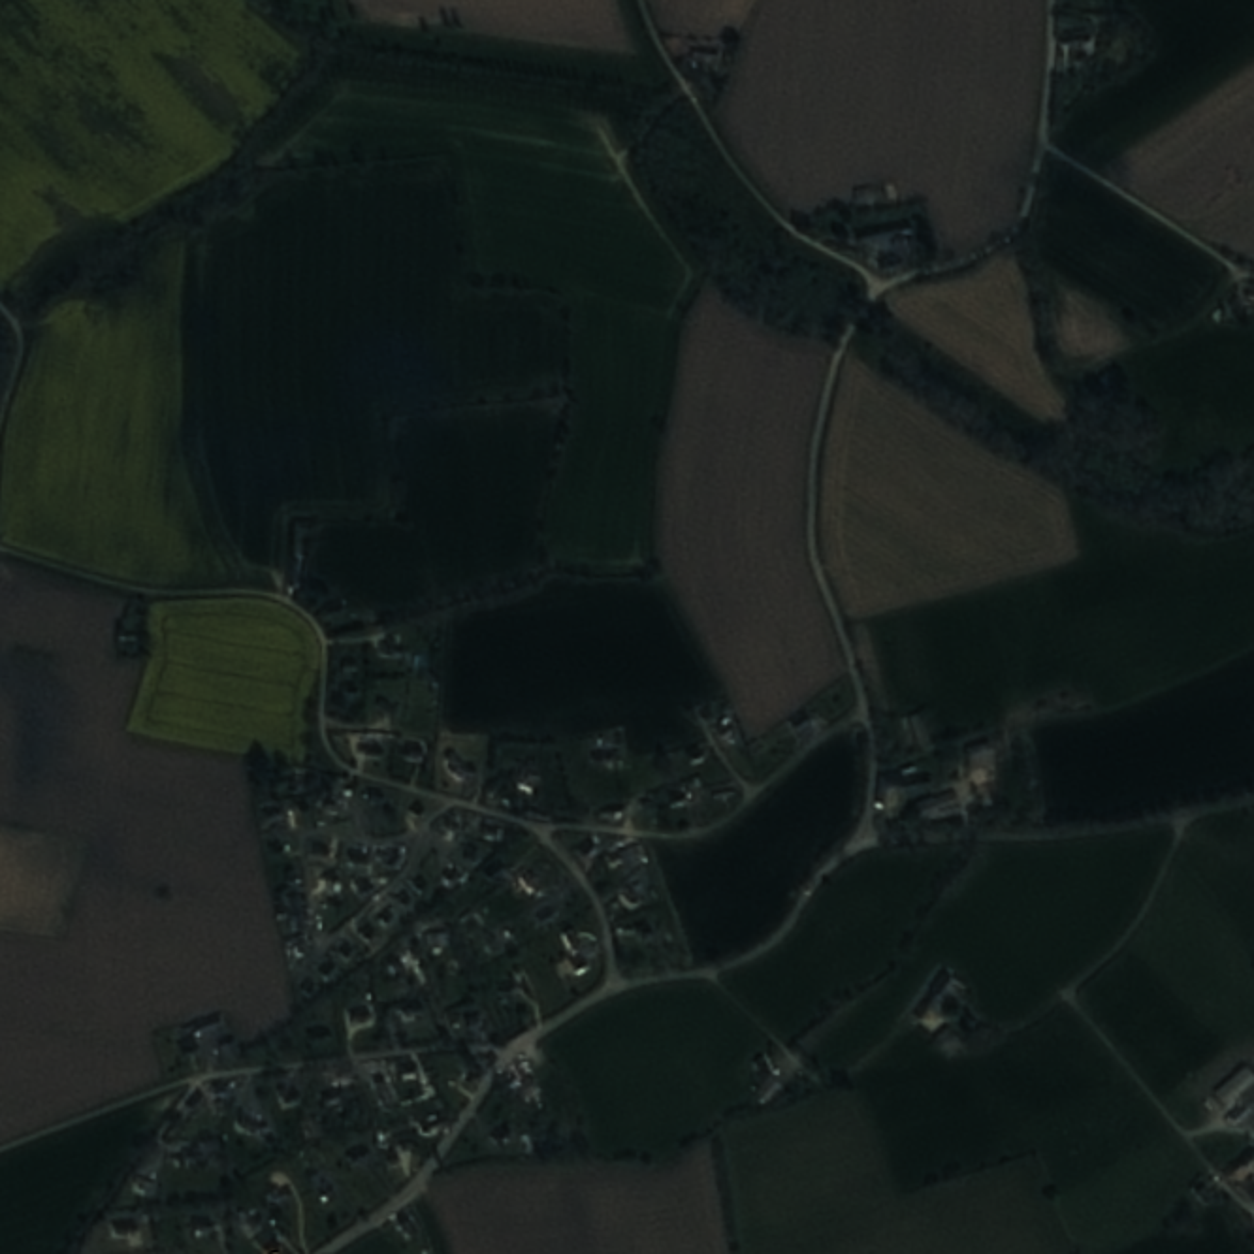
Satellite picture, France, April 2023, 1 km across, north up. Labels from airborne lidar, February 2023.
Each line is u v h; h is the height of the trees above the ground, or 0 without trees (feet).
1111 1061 0
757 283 44
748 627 0
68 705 0
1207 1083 0
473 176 0
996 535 0
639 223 0
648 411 0
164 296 0
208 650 0
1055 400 0
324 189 0
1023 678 0
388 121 0
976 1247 0
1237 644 0
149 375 0
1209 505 89
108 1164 0
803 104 0
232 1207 20
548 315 0
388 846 0
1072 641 0
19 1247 0
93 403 0
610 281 0
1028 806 24
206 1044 0
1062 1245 0
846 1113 0
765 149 0
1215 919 0
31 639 0
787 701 0
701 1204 0
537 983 0
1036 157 0
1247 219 0
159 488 0
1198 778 0
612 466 0
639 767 0
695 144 28
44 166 0
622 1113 0
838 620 0
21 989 0
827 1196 0
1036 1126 0
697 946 0
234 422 0
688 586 0
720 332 0
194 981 0
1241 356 0
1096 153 0
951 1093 0
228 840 0
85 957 0
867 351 0
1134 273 0
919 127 0
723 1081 0
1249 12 0
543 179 0
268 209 0
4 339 73
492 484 0
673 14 0
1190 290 0
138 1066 0
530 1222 0
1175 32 0
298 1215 0
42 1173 0
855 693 0
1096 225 0
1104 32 41
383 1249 0
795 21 0
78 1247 49
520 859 0
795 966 0
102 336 0
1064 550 0
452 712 0
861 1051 0
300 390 0
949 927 0
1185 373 0
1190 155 0
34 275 0
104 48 0
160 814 0
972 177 0
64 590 0
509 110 0
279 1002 0
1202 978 0
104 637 0
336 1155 0
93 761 0
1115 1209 0
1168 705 0
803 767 0
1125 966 0
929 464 0
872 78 0
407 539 0
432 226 0
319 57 52
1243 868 0
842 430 0
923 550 0
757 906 0
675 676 0
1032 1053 0
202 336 0
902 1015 0
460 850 0
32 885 0
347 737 0
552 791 0
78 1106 0
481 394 0
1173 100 0
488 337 0
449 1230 0
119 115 0
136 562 0
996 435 76
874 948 0
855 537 0
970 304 0
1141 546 0
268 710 0
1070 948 0
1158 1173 0
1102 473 50
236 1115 0
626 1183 0
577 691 0
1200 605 0
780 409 0
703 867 0
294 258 0
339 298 0
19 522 0
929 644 0
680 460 0
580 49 0
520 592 37
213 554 0
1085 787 0
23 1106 0
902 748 23
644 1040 0
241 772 0
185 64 0
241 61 0
